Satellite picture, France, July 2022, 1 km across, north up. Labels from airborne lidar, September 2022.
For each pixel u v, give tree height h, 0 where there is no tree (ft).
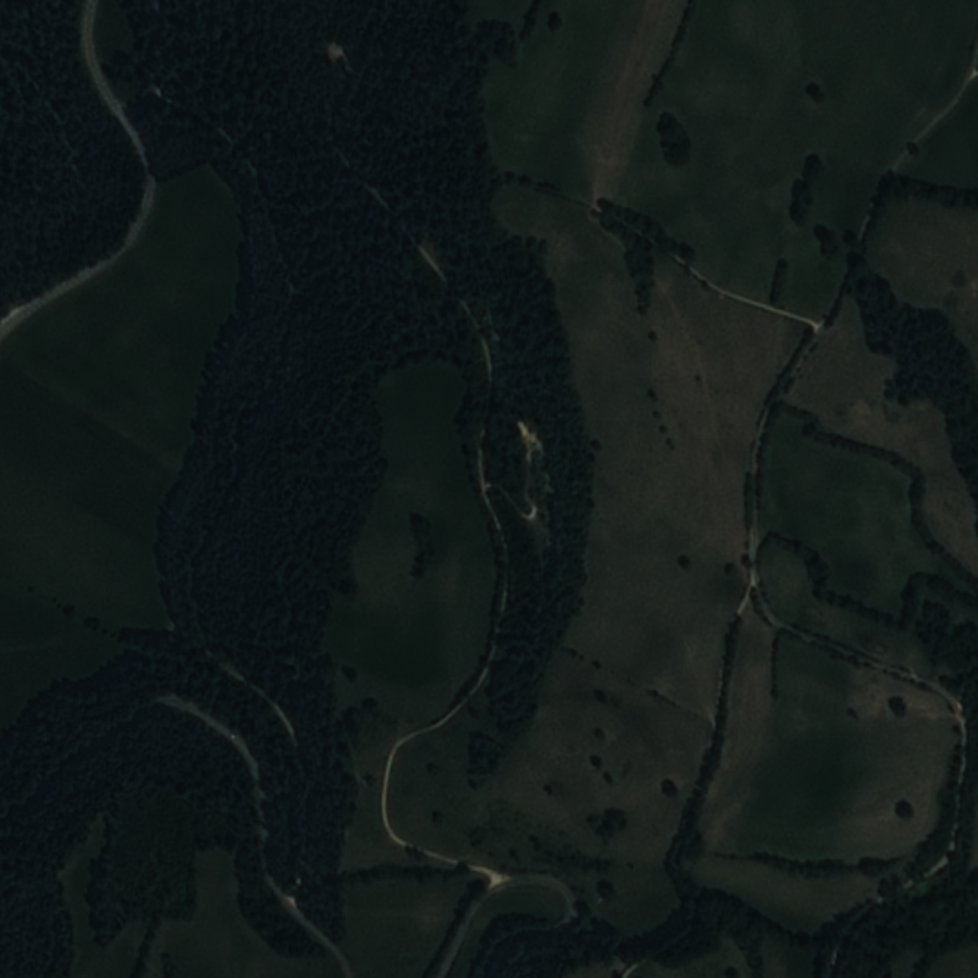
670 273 0
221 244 0
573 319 0
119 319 0
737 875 0
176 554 73
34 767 74
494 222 26
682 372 0
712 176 0
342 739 34
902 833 0
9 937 74
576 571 23
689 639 0
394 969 0
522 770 0
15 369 0
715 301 0
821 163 56
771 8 0
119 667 22
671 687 0
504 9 0
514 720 43
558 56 0
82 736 74
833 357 0
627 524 0
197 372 0
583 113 0
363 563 0
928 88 0
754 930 87
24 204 101
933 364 61
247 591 64
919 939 39
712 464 0
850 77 0
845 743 0
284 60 84
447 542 0
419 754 0
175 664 57
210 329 0
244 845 86
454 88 77
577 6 0
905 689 0
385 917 0
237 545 65
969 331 0
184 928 0
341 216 90
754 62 0
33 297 20
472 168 60
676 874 40
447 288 23
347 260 91
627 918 0
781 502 0
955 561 21
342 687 0
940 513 0
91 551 0
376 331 76
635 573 0
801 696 0
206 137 105
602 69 0
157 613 0
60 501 0
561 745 0
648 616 0
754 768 0
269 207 24
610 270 0
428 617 0
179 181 0
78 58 19
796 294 0
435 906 0
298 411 33
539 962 89
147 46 58
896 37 0
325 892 39
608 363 0
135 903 51
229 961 0
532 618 35
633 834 0
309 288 73
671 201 0
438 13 31
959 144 0
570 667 0
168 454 0
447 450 0
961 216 0
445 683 0
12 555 0
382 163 48
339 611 0
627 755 0
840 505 0
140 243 0
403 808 0
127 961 0
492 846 0
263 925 84
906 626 49
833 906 0
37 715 47
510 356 37
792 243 0
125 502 0
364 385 32
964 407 65
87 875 0
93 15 0
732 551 0
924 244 0
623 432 0
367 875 51
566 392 33
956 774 31
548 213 0
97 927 62
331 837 84
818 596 42
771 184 0
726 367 0
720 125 0
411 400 0
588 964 35
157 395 0
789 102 0
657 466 0
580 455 26
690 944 79
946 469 0
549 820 0
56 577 0
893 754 0
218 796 87
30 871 66
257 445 66
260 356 75
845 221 0
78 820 73
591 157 0
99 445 0
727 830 0
